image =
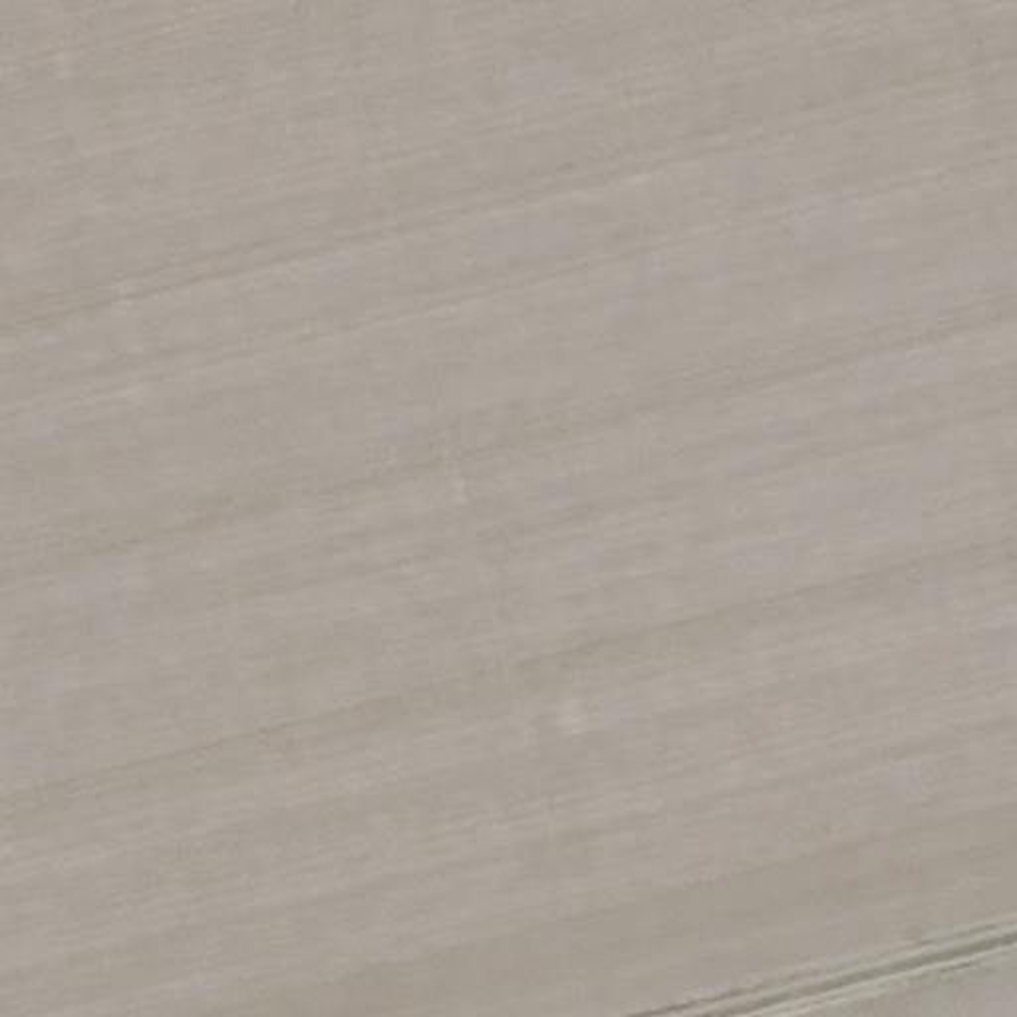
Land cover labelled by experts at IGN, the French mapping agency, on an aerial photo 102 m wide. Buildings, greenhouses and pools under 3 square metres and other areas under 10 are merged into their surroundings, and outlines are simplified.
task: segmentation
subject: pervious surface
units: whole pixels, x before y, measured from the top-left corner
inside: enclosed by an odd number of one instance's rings
[[[930,930],[918,942],[882,942],[854,953],[830,953],[747,977],[727,977],[703,989],[640,997],[628,1005],[560,1017],[802,1017],[898,993],[910,981],[942,969],[997,965],[1017,957],[1017,910],[961,922],[949,930]]]

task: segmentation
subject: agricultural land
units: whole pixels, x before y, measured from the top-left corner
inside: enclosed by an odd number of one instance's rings
[[[898,993],[802,1017],[1017,1017],[1017,957],[997,965],[942,969],[910,981]]]
[[[640,997],[703,989],[727,977],[747,977],[830,953],[854,953],[882,942],[918,942],[930,930],[949,930],[961,922],[1017,910],[1017,0],[0,0],[0,1017],[560,1017],[628,1005]]]

